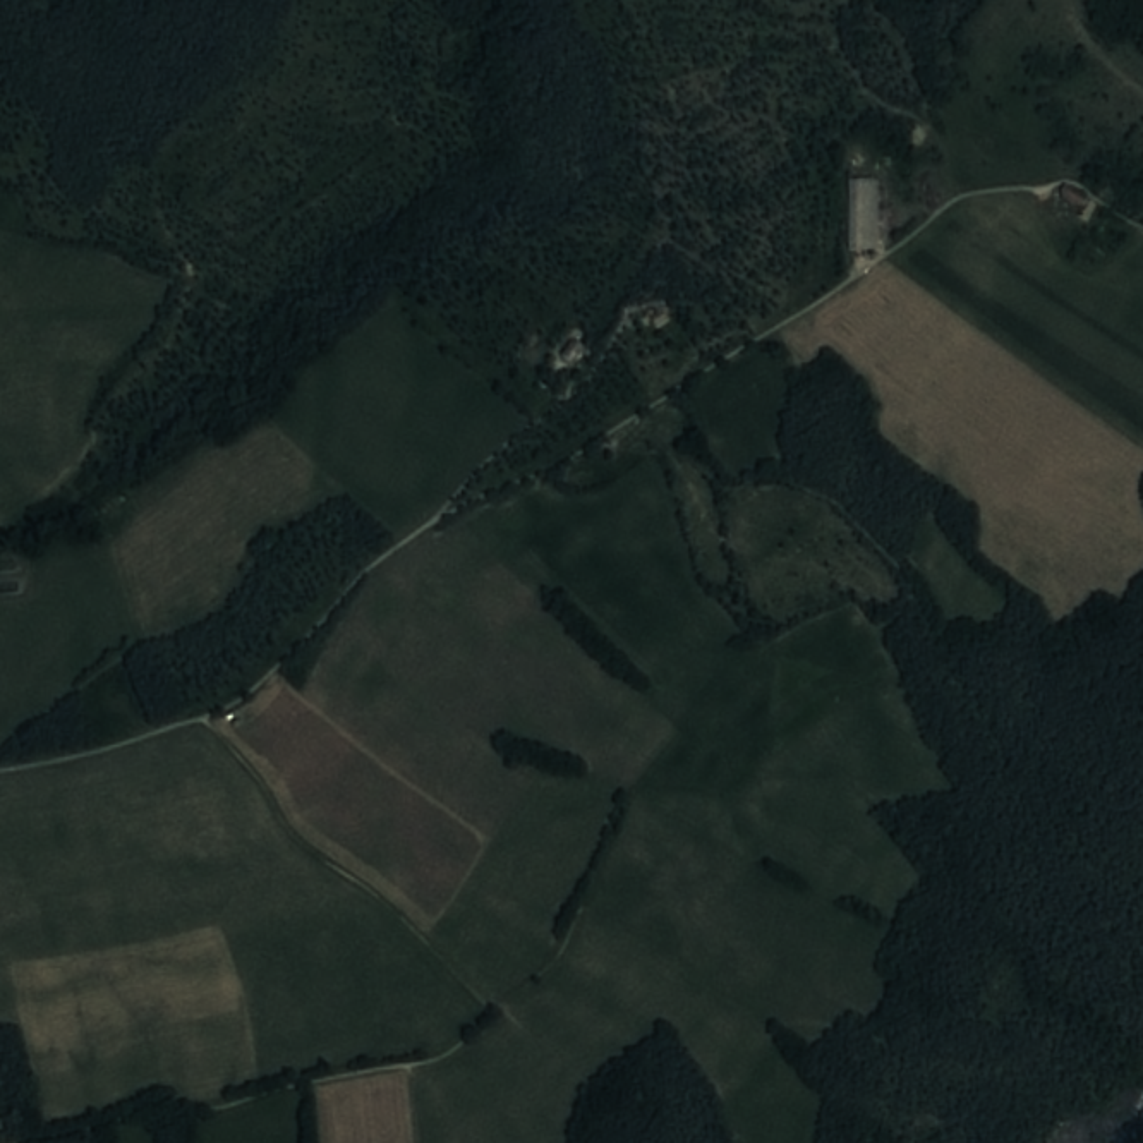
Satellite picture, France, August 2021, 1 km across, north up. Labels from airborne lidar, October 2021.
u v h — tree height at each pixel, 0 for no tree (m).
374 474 0
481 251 14
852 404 7
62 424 0
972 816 12
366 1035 0
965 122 0
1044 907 12
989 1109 11
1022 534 0
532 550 0
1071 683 15
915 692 12
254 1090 15
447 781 0
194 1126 16
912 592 7
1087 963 13
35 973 0
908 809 12
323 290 17
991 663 8
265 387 15
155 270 8
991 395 0
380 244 14
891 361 0
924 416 0
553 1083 0
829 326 0
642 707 0
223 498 0
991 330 0
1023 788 8
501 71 18
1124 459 0
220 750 0
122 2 7
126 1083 0
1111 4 7
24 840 0
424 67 12
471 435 0
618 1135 12
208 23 6
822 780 0
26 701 0
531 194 10
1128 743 10
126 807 0
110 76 8
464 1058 0
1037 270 0
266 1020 0
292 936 0
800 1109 0
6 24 13
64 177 10
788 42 7
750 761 0
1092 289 0
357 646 0
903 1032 14
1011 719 8
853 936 0
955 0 11
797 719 0
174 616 0
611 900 0
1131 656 11
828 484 7
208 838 0
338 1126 0
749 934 0
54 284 0
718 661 0
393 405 0
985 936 11
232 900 0
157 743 0
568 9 11
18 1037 12
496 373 0
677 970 0
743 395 0
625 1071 16
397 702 0
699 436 15
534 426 9
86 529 22
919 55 14
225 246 7
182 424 27
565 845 0
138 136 8
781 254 11
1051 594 0
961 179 0
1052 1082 10
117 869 0
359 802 0
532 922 0
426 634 0
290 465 0
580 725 0
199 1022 0
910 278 0
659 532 0
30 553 8
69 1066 0
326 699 0
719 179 10
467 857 0
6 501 0
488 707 0
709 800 0
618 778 0
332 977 0
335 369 0
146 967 0
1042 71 5
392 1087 0
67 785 0
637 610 0
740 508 0
